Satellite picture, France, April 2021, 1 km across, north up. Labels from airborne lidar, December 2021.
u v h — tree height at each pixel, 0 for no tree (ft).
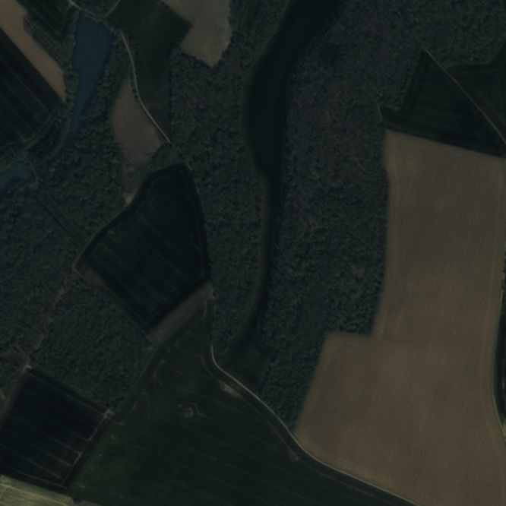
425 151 0
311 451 0
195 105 86
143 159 0
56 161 58
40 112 0
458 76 0
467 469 0
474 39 69
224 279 61
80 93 0
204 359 0
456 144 0
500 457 0
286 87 0
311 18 0
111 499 0
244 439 0
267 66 0
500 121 0
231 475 0
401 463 0
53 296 71
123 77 40
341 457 0
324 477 0
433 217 0
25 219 83
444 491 0
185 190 0
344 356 0
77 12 45
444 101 0
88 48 0
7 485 0
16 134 0
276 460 0
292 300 74
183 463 0
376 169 54
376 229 54
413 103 0
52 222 76
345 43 52
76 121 0
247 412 0
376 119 49
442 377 0
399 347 0
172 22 0
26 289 63
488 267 0
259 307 0
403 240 0
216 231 64
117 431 0
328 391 0
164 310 0
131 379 63
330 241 68
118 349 45
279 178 0
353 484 0
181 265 0
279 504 0
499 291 0
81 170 84
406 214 0
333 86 77
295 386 49
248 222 57
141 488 0
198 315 0
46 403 0
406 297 0
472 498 0
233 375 0
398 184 0
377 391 0
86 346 47
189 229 0
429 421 0
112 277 0
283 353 47
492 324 0
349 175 35
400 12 38
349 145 81
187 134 68
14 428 0
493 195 0
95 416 0
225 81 67
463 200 0
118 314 43
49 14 0
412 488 0
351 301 88
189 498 0
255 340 0
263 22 56
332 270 73
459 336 0
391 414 0
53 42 97
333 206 64
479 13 71
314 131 70
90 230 20
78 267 0
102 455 0
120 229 0
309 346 33
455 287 0
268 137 0
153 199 0
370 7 44
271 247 0
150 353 19
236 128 86
